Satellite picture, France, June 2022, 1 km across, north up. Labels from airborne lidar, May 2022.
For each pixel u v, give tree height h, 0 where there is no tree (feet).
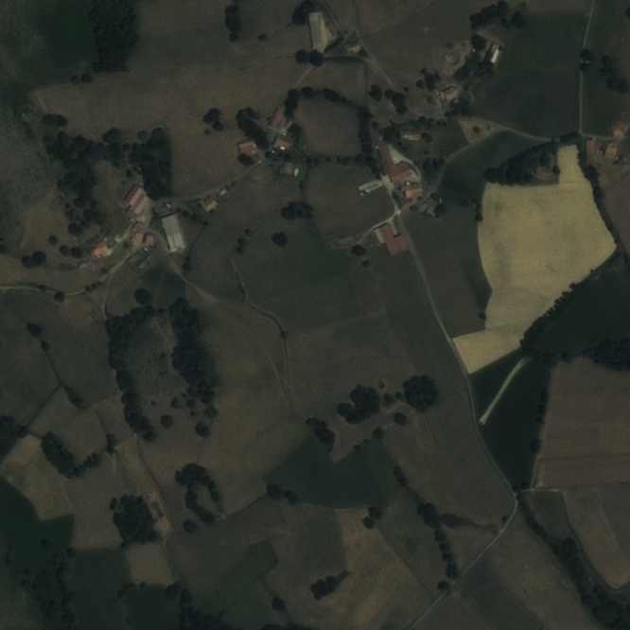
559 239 0
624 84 43
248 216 0
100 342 0
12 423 51
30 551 0
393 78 0
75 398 51
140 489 0
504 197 0
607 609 44
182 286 0
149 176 78
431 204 0
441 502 0
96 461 48
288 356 0
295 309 0
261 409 0
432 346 0
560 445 0
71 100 0
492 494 0
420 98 0
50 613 60
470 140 0
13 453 0
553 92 0
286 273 0
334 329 0
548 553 0
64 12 0
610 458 0
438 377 0
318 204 0
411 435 0
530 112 0
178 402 30
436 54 0
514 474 0
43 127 0
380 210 0
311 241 0
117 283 0
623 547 0
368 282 0
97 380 0
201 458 0
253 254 0
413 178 0
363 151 25
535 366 0
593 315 0
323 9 0
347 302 0
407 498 0
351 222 0
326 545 0
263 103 0
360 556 0
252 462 0
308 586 0
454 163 0
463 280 0
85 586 0
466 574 0
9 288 0
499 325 0
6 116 0
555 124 0
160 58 0
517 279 0
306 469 0
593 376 0
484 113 0
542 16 0
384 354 0
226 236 0
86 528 0
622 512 0
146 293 48
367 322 0
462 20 0
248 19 0
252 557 0
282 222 0
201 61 0
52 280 0
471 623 0
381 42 0
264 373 0
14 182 0
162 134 52
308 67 0
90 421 0
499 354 0
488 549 0
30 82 0
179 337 31
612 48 0
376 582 0
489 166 0
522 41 0
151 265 0
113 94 0
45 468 0
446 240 0
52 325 0
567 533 0
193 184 0
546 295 0
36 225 0
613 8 0
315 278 0
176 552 0
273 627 47
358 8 0
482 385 0
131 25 54
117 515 53
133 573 0
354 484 0
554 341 0
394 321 0
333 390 0
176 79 0
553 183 0
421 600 0
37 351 0
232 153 0
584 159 47
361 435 0
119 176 0
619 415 0
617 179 0
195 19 0
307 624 0
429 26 0
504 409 0
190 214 23
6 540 0
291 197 0
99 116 0
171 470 0
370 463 0
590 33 0
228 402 0
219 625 64
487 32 0
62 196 0
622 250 0
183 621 48
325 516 0
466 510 0
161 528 0
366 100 0
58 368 0
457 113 24
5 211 0
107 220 37
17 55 0
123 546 33
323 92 21
